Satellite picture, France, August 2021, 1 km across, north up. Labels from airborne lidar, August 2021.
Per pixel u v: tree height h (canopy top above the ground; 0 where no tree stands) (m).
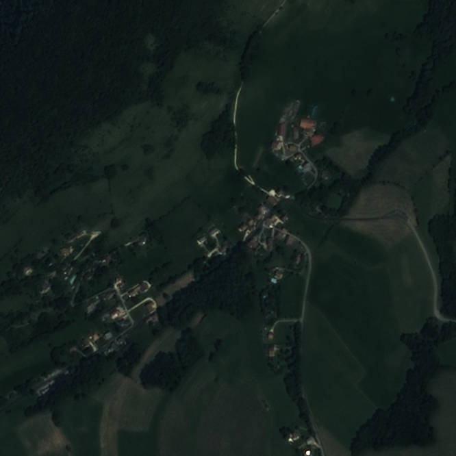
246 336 0
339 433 0
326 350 0
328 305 0
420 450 0
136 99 11
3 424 0
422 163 0
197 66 0
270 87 0
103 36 22
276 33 0
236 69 0
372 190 0
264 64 0
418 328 0
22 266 13
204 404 0
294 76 0
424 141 0
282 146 0
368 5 0
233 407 0
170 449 0
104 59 20
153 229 24
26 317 9
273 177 0
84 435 0
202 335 0
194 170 0
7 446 0
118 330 12
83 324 0
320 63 0
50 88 29
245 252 14
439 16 27
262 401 0
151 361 0
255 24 0
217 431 0
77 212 0
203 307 21
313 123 0
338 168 16
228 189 0
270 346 6
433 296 0
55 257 10
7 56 23
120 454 0
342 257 0
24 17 33
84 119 21
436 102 16
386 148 19
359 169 0
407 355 0
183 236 0
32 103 21
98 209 0
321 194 27
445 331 14
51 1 20
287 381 18
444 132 0
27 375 0
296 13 0
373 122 0
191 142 0
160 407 0
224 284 14
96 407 0
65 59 24
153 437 0
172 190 0
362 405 0
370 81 0
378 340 0
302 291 0
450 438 0
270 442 0
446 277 21
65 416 0
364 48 0
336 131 13
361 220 0
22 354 0
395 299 0
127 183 0
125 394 0
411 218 0
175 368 18
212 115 0
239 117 0
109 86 10
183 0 22
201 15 10
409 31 0
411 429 24
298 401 14
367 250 0
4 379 0
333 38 0
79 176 6
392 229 0
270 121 0
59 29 24
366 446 19
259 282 0
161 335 9
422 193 0
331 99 0
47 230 0
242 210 11
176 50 25
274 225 7
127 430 0
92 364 23
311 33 0
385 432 17
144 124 0
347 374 0
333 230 0
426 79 28
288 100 0
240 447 0
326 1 0
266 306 8
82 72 20
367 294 0
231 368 0
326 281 0
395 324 0
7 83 24
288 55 0
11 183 15
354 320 0
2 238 0
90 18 25
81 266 13
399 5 0
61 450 0
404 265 0
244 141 0
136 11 16
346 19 0
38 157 13
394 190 0
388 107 0
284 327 0
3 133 23
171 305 13
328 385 0
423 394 12
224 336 0
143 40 18
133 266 0
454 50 17
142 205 0
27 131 27
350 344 0
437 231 18
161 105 15
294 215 0
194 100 0
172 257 0
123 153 0
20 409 0
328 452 0
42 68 25
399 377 0
